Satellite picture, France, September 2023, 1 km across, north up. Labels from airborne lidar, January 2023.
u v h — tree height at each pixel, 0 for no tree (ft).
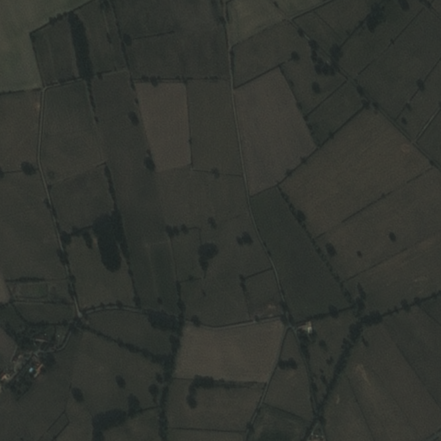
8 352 0
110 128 0
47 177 0
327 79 0
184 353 0
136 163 0
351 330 32
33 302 0
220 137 0
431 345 0
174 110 0
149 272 0
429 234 0
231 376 0
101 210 0
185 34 0
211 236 0
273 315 0
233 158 0
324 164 0
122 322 0
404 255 0
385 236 0
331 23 0
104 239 58
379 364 0
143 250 0
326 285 0
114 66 0
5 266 0
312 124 0
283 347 0
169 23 0
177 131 0
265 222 0
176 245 0
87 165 0
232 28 0
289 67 0
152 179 0
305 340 57
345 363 59
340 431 0
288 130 0
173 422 0
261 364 0
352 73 0
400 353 0
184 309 42
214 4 0
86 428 0
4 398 0
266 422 0
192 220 0
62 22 0
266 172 0
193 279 30
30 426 0
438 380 0
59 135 0
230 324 0
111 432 0
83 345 0
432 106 0
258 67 0
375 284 0
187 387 0
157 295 0
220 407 0
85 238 47
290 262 0
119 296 0
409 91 0
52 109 0
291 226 0
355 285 0
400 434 0
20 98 0
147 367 0
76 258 0
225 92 0
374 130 0
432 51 0
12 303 31
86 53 58
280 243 0
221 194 0
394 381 0
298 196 0
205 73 0
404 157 0
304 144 0
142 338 0
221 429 0
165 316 48
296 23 0
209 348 0
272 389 0
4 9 0
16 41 0
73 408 0
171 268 0
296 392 0
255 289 0
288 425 0
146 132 0
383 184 0
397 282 0
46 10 0
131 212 0
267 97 0
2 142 0
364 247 0
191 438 0
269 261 0
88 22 0
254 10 0
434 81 0
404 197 0
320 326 0
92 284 0
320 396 0
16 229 0
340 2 0
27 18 0
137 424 0
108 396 0
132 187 0
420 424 0
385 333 0
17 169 0
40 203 0
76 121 0
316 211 0
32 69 0
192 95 0
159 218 0
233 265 0
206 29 0
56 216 27
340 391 0
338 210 0
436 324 0
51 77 0
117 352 0
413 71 0
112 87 0
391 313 35
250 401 0
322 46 0
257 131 0
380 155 0
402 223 0
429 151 0
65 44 0
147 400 0
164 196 0
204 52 0
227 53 0
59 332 0
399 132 0
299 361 0
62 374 0
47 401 0
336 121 0
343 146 0
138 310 42
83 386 0
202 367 0
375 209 0
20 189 0
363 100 0
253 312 0
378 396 0
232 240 0
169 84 0
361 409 0
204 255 67
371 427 0
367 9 0
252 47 0
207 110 0
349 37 51
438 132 0
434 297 35
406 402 0
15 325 0
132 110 0
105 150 0
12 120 0
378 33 0
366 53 0
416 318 0
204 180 0
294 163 0
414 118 0
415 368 0
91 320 0
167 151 0
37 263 0
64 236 31
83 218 0
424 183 0
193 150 0
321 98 0
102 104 0
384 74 0
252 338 0
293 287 0
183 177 0
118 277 0
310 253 0
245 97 0
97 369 0
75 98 0
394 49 0
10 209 0
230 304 0
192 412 0
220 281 0
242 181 0
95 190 0
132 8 0
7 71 0
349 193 0
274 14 0
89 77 51
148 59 0
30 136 0
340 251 0
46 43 0
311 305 0
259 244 0
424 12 0
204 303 0
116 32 0
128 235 0
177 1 0
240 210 0
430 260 0
